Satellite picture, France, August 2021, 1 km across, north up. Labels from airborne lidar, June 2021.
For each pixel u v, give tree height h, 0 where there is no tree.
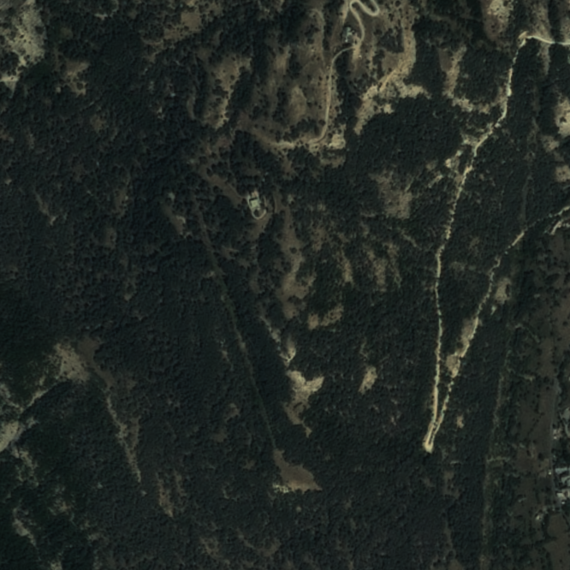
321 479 13
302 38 6
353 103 11
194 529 12
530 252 9
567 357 14
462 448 12
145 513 11
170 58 13
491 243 13
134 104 11
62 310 14
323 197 18
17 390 6
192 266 16
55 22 8
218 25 15
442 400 8
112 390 8
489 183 15
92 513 9
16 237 16
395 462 8
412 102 13
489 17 0
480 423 11
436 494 13
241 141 14
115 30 17
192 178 15
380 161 15
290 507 8
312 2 0
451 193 6
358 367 11
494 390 15
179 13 13
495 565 14
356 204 12
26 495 6
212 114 0
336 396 19
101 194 11
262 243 15
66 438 8
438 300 7
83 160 12
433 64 14
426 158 11
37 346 7
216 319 15
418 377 8
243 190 6
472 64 10
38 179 9
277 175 12
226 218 14
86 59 14
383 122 17
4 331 10
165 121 11
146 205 19
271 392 15
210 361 18
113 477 7
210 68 0
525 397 6
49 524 10
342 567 13
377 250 6
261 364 15
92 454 9
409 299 14
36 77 9
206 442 12
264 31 9
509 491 10
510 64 11
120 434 0
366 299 19
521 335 13
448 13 9
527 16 6
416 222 12
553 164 10
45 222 13
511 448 13
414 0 13
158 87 15
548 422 0
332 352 13
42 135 15
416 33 8
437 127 14
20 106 11
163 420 20
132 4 14
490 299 6
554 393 0
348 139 12
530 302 11
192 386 21
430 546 9
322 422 9
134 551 7
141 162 19
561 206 13
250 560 10
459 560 11
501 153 12
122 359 15
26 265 12
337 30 0
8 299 9
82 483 7
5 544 8
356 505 12
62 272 11
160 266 17
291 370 7
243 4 7
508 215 11
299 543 14
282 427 17
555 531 0
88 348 0
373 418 15
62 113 14
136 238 19
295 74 6
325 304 7
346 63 9
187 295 13
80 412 11
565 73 10
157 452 16
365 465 9
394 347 19
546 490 7
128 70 14
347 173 14
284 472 0
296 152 10
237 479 17
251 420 19
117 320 17
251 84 10
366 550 13
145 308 14
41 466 6
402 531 12
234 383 13
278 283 10
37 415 7
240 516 14
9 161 14
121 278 6
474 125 9
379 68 6
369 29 0
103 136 10
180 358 17
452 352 7
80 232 12
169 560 11
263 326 10
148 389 18
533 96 7
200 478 15
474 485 17
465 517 15
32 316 8
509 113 12
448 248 9
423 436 10
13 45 0
